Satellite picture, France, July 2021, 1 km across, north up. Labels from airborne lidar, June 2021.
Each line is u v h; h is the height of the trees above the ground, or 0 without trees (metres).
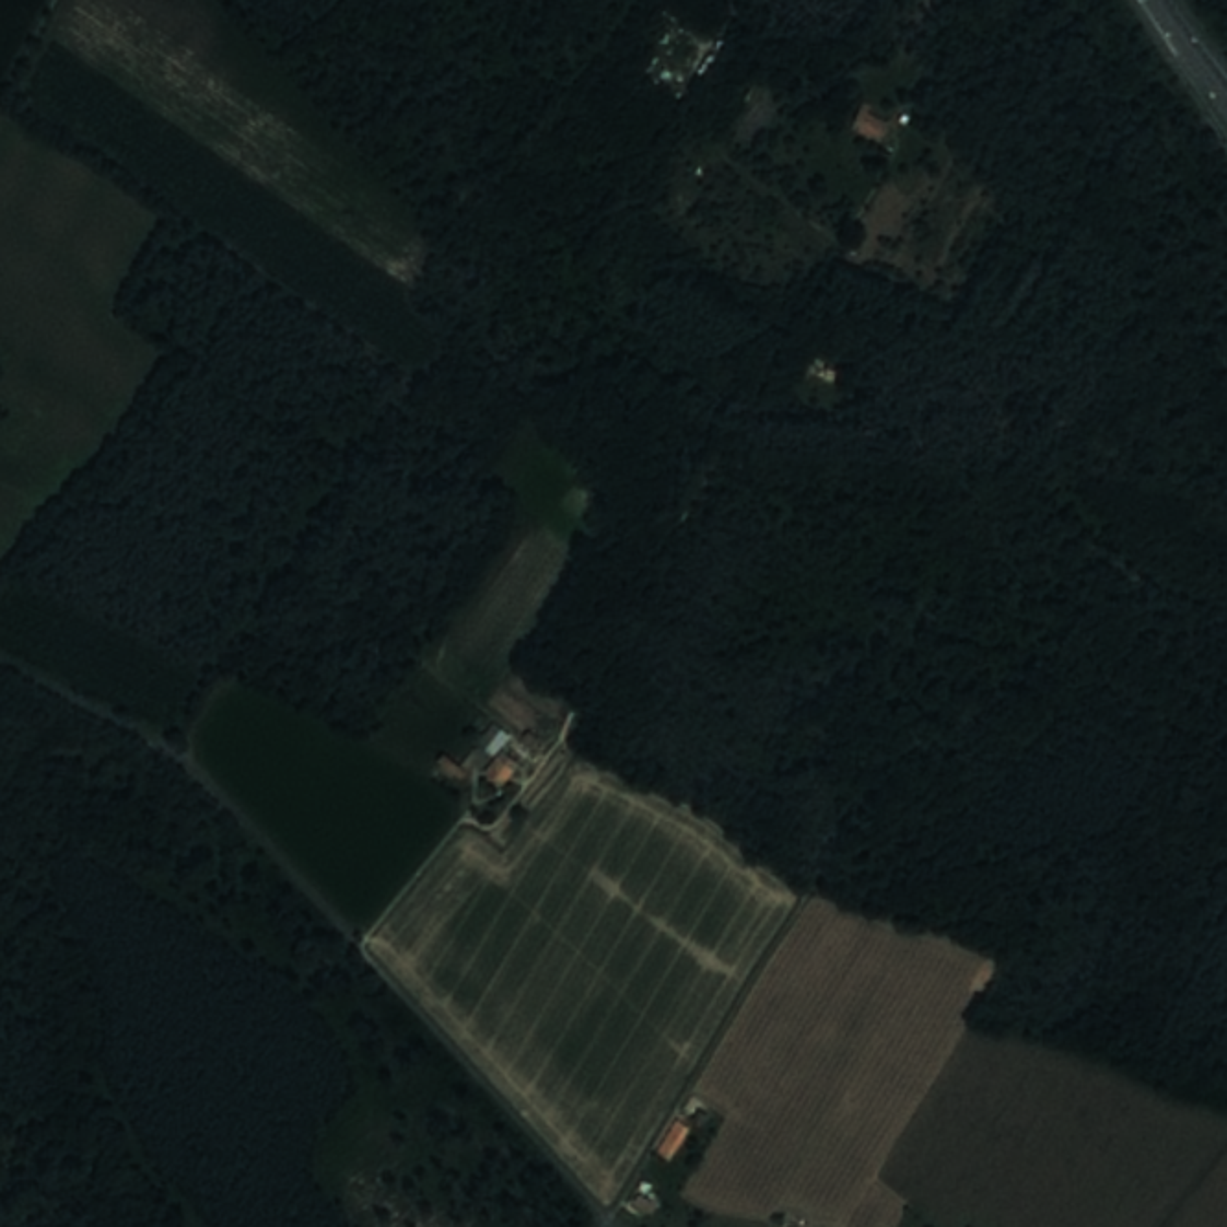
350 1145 0
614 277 12
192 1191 13
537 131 13
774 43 16
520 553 0
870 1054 0
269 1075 12
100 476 15
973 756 21
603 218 9
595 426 25
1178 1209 0
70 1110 20
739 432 19
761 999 0
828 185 11
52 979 19
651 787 15
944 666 14
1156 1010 17
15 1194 23
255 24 9
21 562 18
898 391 22
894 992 0
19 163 0
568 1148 0
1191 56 0
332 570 28
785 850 15
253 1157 13
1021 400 17
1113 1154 0
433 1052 25
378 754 0
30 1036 19
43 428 0
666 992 0
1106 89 12
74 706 11
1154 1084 8
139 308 18
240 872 22
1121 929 24
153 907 12
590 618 20
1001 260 22
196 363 20
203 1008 12
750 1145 0
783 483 8
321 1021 14
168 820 15
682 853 0
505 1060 0
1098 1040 17
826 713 23
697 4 10
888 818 19
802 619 10
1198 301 17
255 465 18
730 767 16
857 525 13
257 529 22
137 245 0
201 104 0
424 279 9
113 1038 15
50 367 0
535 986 0
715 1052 0
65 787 20
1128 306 21
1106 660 21
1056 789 15
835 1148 0
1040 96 23
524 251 10
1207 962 21
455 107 17
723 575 16
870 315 20
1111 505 11
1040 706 17
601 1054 0
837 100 22
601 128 12
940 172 11
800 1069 0
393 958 0
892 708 23
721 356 23
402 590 29
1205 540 8
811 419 23
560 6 20
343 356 19
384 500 30
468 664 0
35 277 0
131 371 0
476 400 17
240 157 0
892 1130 0
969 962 0
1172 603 12
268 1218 13
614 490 24
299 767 0
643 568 16
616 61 6
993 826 14
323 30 10
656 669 20
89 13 0
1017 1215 0
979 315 23
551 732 0
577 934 0
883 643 23
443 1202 0
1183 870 11
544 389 23
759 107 0
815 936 0
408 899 0
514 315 6
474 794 0
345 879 0
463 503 31
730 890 0
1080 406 21
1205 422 20
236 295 23
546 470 0
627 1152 0
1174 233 18
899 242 6
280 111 0
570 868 0
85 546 19
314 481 22
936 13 24
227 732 0
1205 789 17
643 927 0
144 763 18
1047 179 20
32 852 19
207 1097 14
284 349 20
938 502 12
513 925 0
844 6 20
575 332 15
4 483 0
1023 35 18
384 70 8
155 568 21
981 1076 0
